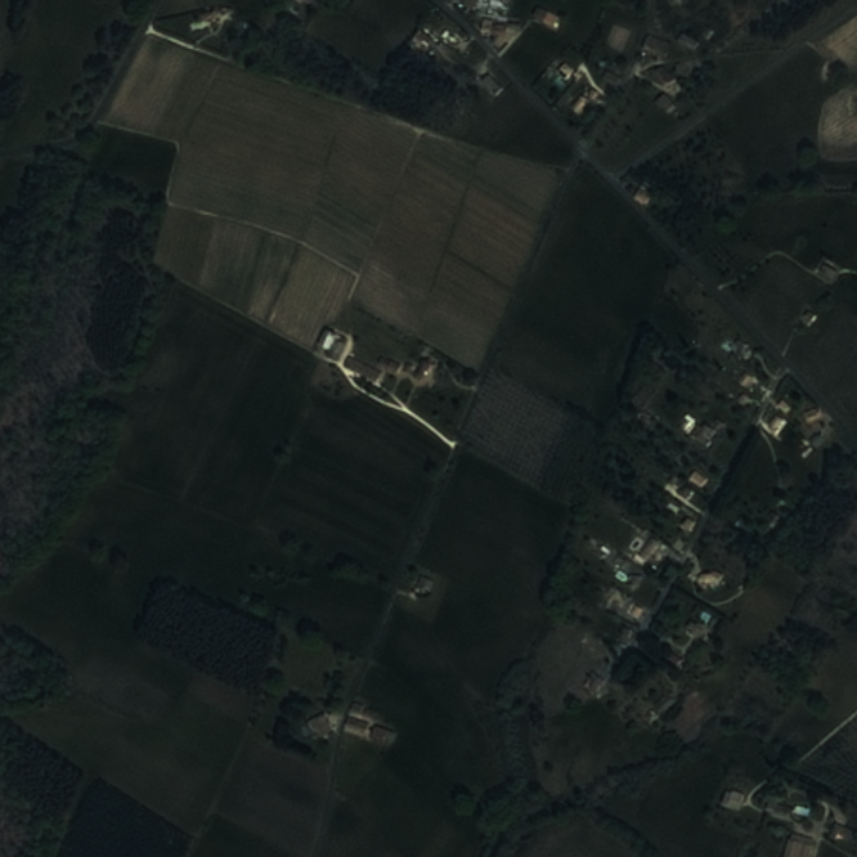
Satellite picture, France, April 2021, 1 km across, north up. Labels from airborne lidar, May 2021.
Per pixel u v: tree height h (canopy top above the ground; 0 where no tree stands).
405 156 0
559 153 0
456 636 0
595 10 0
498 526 0
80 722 0
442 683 0
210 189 0
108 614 0
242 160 0
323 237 0
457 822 0
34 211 19
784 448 0
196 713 0
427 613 0
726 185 11
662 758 7
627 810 0
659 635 7
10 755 16
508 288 0
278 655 8
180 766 0
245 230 0
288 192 0
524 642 0
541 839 0
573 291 0
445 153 0
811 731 0
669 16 0
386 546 0
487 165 0
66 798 17
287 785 0
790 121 0
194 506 0
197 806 0
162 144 0
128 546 0
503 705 11
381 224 0
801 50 0
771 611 0
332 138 0
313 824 0
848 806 10
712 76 14
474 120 0
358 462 0
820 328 0
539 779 0
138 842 7
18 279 17
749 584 11
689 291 0
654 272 0
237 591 0
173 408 0
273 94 0
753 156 0
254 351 0
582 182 0
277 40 16
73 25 0
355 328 0
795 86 0
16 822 8
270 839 0
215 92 0
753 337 0
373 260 0
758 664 12
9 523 16
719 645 10
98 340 12
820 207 0
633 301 0
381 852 0
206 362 0
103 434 18
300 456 0
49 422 15
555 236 0
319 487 0
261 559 0
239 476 0
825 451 0
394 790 0
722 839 0
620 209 0
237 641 19
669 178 7
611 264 0
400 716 0
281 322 0
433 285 0
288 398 0
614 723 0
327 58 14
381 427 0
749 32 6
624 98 13
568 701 6
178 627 16
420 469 0
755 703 14
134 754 0
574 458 24
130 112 0
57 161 18
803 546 17
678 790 0
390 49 0
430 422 0
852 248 0
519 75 0
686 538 14
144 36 0
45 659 27
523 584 0
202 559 0
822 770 19
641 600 0
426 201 0
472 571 0
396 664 0
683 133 0
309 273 0
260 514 0
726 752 0
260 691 17
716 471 10
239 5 0
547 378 0
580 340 0
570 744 0
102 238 11
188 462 0
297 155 0
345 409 0
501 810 21
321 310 0
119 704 0
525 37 0
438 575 0
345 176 0
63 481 14
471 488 0
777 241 0
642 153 0
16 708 17
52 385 15
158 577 0
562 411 19
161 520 0
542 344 0
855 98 0
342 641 0
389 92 17
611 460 14
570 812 16
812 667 9
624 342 0
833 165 0
